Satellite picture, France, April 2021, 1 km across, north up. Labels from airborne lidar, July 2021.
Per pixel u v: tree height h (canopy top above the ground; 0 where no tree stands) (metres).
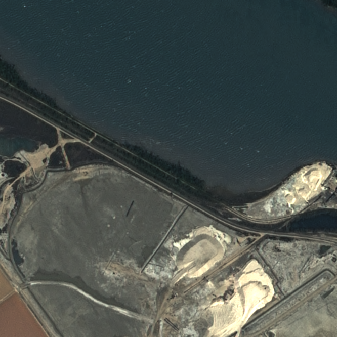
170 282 0
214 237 0
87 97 0
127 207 0
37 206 0
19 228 0
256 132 0
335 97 0
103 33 0
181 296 0
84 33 0
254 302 0
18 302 0
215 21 0
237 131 0
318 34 0
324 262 0
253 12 0
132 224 0
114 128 0
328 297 0
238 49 0
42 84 0
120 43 0
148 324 0
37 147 0
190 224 0
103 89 0
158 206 0
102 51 0
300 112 0
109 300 0
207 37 0
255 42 0
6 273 0
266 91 0
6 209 0
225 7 0
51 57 0
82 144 0
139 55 0
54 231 0
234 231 0
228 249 0
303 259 0
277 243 0
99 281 0
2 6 0
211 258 0
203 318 0
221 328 0
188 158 0
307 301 0
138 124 0
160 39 0
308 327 0
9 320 0
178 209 0
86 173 0
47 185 0
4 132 0
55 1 0
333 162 0
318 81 0
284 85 0
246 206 0
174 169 15
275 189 0
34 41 0
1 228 0
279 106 0
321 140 0
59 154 0
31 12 0
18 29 0
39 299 0
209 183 0
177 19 0
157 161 13
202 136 0
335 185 0
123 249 0
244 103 0
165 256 0
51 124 0
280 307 0
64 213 0
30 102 0
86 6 0
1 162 0
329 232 6
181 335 0
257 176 0
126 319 0
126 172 0
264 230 0
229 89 0
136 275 0
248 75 0
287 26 0
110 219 0
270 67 0
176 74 0
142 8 0
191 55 0
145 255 0
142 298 0
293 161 0
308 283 0
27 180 0
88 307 0
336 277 0
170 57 0
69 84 0
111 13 0
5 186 0
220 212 0
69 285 0
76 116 0
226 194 0
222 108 0
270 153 0
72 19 0
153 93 0
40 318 0
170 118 0
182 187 7
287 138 0
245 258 0
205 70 0
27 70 0
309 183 0
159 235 0
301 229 8
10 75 11
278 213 0
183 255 0
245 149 0
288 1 0
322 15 0
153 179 0
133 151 15
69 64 0
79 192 0
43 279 0
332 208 0
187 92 0
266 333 0
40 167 0
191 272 0
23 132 0
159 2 0
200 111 0
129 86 0
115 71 0
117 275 0
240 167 0
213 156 0
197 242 0
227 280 0
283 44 0
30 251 0
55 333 0
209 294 0
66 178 0
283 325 0
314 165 0
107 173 0
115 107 0
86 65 0
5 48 0
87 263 0
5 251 0
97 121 0
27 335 0
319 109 0
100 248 0
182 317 0
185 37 0
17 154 0
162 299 0
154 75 0
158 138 0
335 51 0
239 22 0
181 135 0
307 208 0
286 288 0
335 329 0
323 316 0
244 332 0
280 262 0
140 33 0
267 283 0
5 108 0
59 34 0
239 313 0
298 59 0
